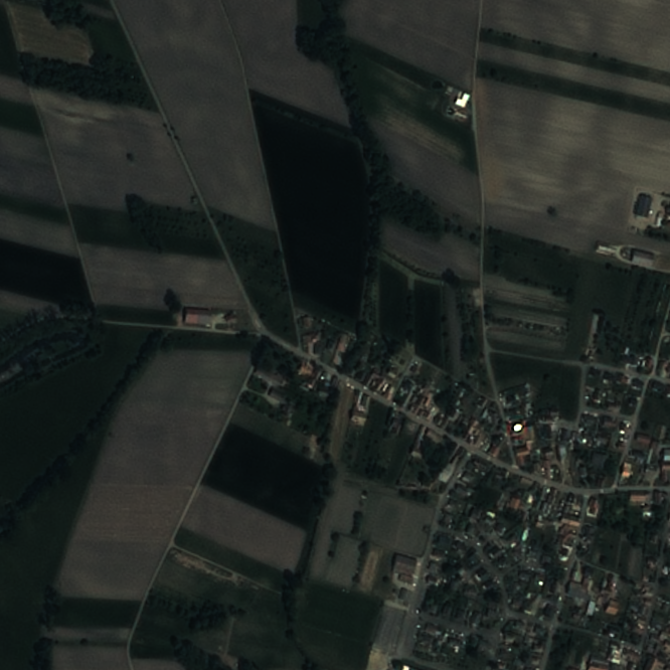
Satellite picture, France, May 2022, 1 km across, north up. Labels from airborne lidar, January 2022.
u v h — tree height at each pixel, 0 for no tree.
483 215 0
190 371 0
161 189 0
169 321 0
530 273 0
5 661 0
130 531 0
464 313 6
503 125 0
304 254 0
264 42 0
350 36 0
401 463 0
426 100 0
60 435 0
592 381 0
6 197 0
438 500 0
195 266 0
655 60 0
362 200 0
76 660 0
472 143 0
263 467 0
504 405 0
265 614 0
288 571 0
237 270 0
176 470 0
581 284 0
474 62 0
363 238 0
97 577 0
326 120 0
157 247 29
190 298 0
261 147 0
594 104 0
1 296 0
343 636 0
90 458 0
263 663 0
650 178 0
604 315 11
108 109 0
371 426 0
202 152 0
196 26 0
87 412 0
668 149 0
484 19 0
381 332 0
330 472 14
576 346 0
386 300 0
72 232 0
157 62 0
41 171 0
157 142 0
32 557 0
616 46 0
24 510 15
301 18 0
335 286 0
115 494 0
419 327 0
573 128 0
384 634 0
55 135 0
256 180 0
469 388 11
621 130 0
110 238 0
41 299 0
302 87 0
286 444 0
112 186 0
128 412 0
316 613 0
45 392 0
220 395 0
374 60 0
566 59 0
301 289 0
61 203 0
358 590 0
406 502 0
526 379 0
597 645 0
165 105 0
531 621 0
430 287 0
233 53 0
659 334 0
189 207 0
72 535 0
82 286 0
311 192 0
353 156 0
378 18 0
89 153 0
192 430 0
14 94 0
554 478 0
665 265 0
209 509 0
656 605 0
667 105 0
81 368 0
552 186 0
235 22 0
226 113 0
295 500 0
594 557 0
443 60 0
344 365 11
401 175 0
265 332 0
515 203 0
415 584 0
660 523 8
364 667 0
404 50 0
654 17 0
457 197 0
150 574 0
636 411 0
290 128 0
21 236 0
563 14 0
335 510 0
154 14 0
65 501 0
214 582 0
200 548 0
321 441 8
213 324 0
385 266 0
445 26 0
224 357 0
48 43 0
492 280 0
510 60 0
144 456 0
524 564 0
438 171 0
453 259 0
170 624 0
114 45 0
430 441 16
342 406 0
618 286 0
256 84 0
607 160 0
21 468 0
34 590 0
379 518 0
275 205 0
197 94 0
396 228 0
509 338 0
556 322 0
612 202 0
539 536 0
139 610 0
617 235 0
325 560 0
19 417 0
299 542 0
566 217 0
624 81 0
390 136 0
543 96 0
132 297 0
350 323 0
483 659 0
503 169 0
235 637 0
